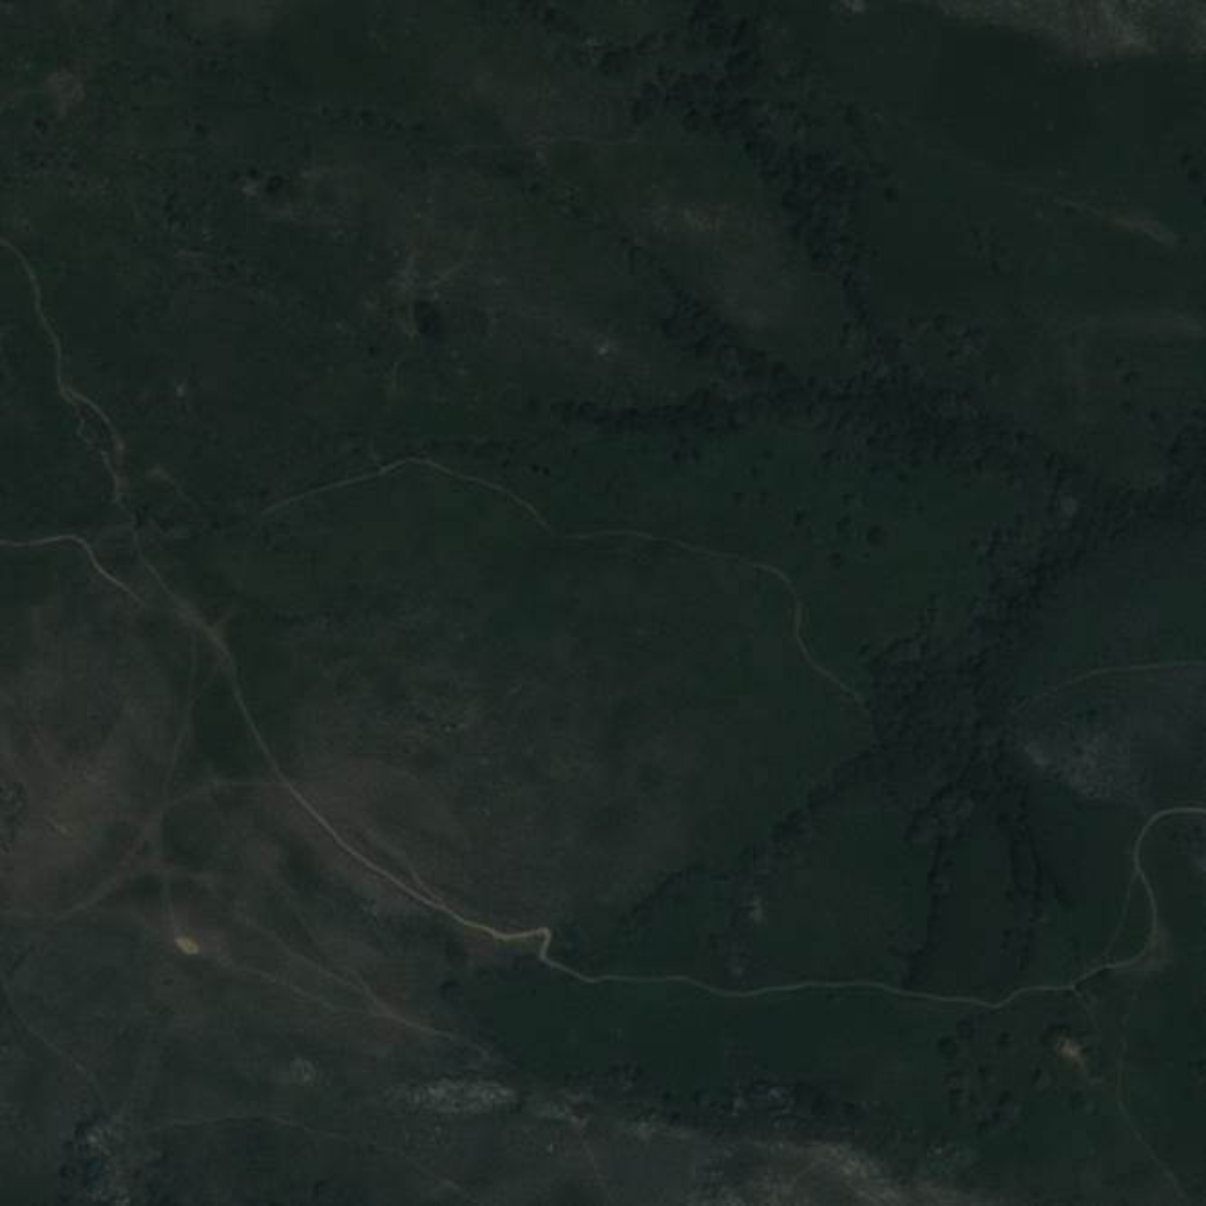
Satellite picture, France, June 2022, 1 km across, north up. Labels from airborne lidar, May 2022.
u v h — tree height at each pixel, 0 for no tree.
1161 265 0
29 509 0
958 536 0
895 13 0
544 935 0
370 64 0
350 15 0
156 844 0
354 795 0
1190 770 0
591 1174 0
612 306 0
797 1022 0
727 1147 0
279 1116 0
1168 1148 0
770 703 0
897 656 17
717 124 14
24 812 0
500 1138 0
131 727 0
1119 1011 0
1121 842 0
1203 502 16
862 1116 10
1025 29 0
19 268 0
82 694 0
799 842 19
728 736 0
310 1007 0
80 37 0
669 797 0
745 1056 0
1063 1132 0
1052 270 0
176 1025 0
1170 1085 0
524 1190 0
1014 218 0
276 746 0
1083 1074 0
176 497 0
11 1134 0
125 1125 0
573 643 0
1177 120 0
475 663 0
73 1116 0
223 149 0
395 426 0
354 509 0
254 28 0
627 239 9
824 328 0
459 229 0
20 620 0
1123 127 0
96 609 0
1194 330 0
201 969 0
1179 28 0
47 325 0
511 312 0
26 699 0
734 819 0
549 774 0
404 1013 0
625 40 0
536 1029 0
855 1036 0
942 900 8
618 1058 0
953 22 0
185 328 0
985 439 23
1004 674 8
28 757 0
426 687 0
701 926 0
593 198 0
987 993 0
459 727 0
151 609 0
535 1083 0
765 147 20
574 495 0
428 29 0
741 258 0
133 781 0
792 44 0
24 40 0
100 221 0
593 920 0
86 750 0
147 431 0
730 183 0
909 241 0
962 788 17
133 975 0
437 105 0
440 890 0
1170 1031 0
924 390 12
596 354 0
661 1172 0
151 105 0
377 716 0
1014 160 0
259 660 0
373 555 0
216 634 0
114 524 0
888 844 0
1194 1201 0
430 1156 0
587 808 0
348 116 8
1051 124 0
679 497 0
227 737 0
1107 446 0
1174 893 0
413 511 0
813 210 16
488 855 0
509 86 0
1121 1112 0
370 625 0
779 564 0
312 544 0
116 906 0
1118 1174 0
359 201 0
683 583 0
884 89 0
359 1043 0
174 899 0
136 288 0
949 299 0
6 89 0
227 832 0
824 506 0
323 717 0
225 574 0
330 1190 12
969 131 0
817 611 0
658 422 7
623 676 0
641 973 0
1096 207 0
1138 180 0
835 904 0
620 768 0
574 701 0
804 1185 0
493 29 0
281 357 0
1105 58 0
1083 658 0
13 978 0
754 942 0
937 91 0
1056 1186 0
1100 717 8
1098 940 0
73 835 0
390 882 0
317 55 0
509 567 0
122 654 0
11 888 0
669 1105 8
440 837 0
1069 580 7
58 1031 0
